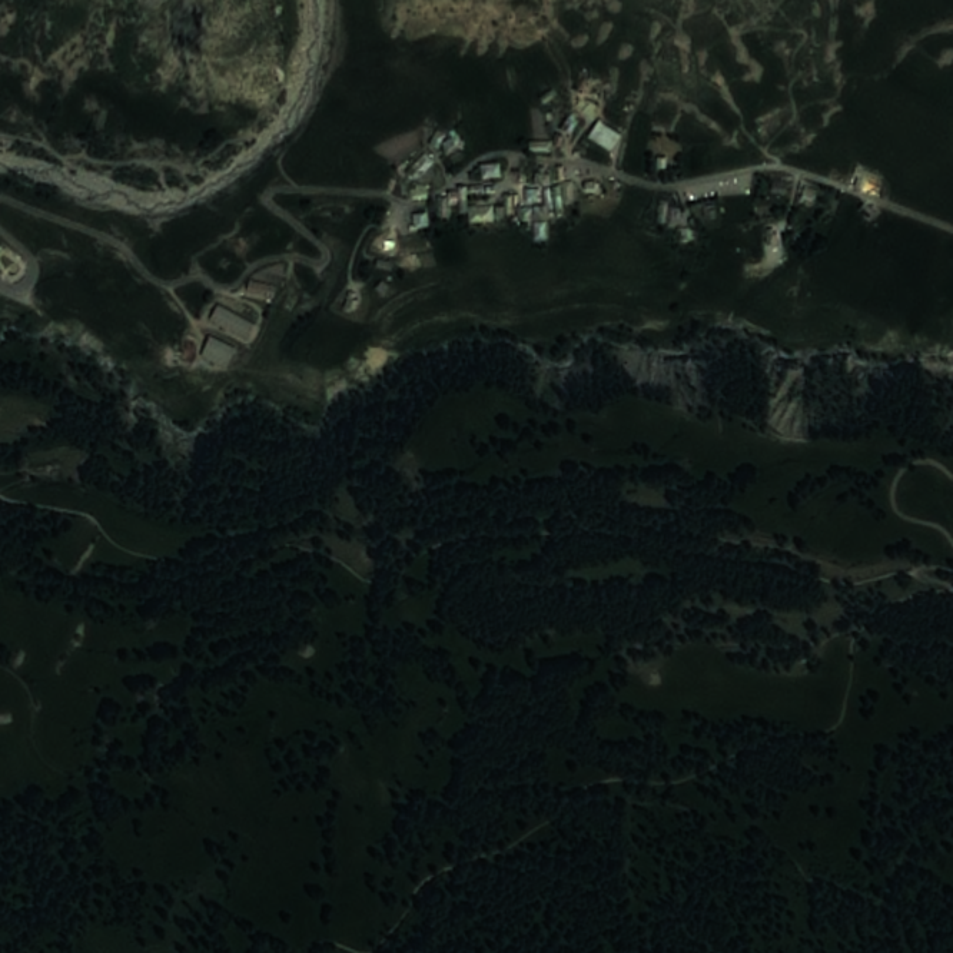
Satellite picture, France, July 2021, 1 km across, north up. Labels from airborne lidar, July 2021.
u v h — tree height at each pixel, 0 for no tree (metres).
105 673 0
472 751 24
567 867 23
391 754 0
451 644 0
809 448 0
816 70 0
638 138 0
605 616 25
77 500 0
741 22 0
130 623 7
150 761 18
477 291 0
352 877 0
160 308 0
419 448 0
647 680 0
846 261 0
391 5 0
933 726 0
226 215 0
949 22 0
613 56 0
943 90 0
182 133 0
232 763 0
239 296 0
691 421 0
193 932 23
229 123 0
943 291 0
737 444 0
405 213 0
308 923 0
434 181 0
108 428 20
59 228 0
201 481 22
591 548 21
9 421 0
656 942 10
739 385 21
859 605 24
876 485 16
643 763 24
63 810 21
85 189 0
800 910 0
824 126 0
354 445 17
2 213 0
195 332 0
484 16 0
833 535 0
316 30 0
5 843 17
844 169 0
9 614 0
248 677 22
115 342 0
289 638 21
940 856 22
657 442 0
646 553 23
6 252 0
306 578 24
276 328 0
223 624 25
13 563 25
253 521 11
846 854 0
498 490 13
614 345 7
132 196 0
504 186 0
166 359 0
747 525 20
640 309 0
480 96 0
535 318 0
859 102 0
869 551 0
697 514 21
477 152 0
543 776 16
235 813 0
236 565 18
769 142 0
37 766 0
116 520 0
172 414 0
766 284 0
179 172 0
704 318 0
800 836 0
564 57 0
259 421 19
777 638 18
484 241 0
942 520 0
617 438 0
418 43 0
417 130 0
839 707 0
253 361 0
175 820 0
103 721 16
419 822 27
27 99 0
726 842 8
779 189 0
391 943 9
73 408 19
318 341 0
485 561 18
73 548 0
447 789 0
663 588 25
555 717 26
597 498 30
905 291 0
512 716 23
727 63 0
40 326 0
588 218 0
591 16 0
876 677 0
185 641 0
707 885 18
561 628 22
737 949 18
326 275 0
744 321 0
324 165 0
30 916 23
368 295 0
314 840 0
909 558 18
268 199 0
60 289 0
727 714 0
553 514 9
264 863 0
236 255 0
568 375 0
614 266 0
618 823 22
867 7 0
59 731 0
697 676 0
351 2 0
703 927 19
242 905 0
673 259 0
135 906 7
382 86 0
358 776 0
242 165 0
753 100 0
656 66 0
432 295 0
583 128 0
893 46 0
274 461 24
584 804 23
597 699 26
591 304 0
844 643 0
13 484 0
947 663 22
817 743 14
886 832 0
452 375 18
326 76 0
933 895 18
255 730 0
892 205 0
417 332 0
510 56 0
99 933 0
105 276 0
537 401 27
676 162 8
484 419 0
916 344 0
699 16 0
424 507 21
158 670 0
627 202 0
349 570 0
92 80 0
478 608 17
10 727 0
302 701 0
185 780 0
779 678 0
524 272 0
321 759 17
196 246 0
